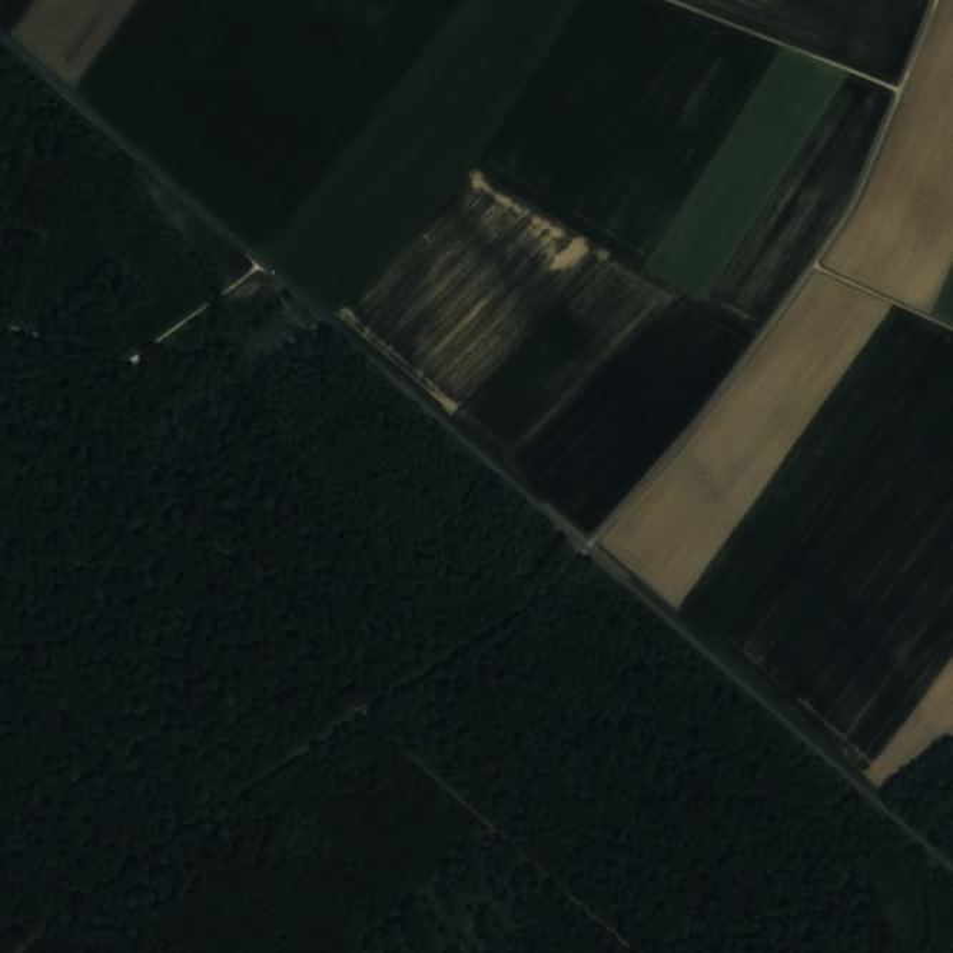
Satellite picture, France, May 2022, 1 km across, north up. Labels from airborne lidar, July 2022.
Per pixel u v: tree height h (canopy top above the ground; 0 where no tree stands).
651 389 0
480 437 0
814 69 0
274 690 8
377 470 17
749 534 0
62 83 0
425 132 0
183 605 26
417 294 0
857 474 0
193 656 24
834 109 0
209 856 26
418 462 15
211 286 7
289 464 21
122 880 25
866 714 0
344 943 12
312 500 23
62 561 16
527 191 0
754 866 28
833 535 0
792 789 23
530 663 20
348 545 27
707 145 0
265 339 0
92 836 14
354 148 0
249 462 8
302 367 24
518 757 16
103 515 28
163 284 6
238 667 21
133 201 5
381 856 10
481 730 22
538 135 0
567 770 24
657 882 24
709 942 26
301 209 0
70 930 22
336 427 12
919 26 0
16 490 19
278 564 24
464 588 20
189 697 26
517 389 0
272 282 0
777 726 18
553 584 14
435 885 0
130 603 28
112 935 27
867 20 0
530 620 24
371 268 0
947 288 0
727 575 0
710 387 0
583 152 0
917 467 0
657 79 0
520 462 0
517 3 0
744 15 0
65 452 16
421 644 14
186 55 0
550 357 0
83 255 8
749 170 0
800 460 0
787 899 28
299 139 0
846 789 16
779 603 0
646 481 0
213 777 18
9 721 32
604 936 22
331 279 0
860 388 0
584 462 0
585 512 0
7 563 26
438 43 0
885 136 0
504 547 20
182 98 0
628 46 0
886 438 0
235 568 25
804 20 0
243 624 26
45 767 29
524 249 0
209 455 29
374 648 22
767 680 0
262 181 0
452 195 0
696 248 0
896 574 0
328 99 0
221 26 0
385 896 13
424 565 19
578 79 0
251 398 25
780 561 0
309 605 23
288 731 16
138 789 28
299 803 9
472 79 0
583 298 0
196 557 21
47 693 28
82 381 29
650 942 23
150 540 27
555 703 21
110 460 26
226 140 0
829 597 0
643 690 29
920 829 22
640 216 0
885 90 0
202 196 0
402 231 0
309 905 10
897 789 19
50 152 14
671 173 0
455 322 0
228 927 8
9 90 19
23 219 7
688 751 12
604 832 24
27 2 0
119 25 0
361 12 0
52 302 6
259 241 0
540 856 19
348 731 17
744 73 0
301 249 0
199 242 0
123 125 0
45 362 25
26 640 26
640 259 0
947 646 0
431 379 0
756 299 0
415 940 27
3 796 30
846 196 0
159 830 26
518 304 0
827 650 0
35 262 9
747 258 0
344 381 28
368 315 0
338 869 11
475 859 26
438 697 23
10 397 24
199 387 21
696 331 0
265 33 0
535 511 11
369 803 9
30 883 28
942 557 0
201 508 27
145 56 0
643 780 21
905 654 0
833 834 20
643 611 11
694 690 24
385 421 9
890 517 0
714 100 0
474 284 0
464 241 0
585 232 0
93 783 24
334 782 10
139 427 14
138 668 22
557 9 0
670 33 0
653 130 0
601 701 24
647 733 24
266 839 21
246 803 23
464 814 13
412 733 21
